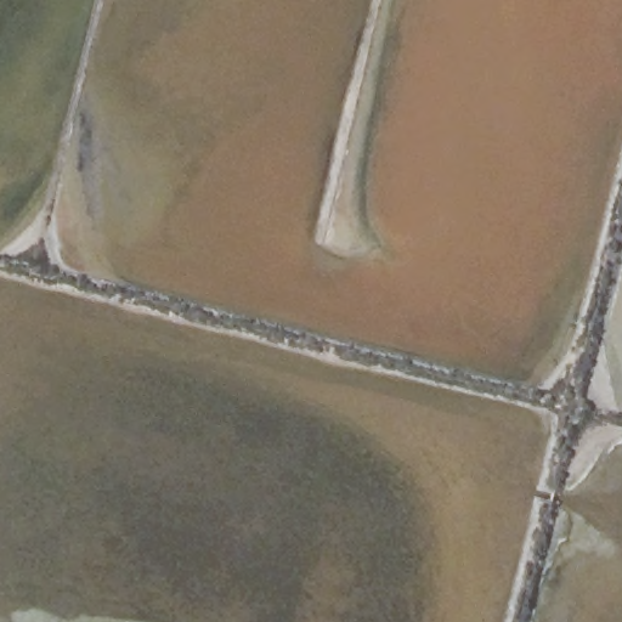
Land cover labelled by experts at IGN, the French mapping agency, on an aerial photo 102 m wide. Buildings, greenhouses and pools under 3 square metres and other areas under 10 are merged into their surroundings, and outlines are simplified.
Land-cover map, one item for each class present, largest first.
<instances>
[{"label":"water","instance_id":"1","mask_svg":"<svg viewBox=\"0 0 622 622\"><path fill-rule=\"evenodd\" d=\"M95 0H0V245H5L12 243L34 221L39 204L46 194V185L53 173L61 136L66 129L68 104L73 97L80 53L87 36ZM372 0H104V12L92 46V58L78 107V180L87 221L90 226L102 224L107 262L112 275L119 279L134 284L143 282L151 292H163L168 296L175 292L197 296L204 304L228 309L248 318H270L277 326L289 321L296 328H313V333L330 338L350 340L401 355H406V350H413L418 360L447 367H469L479 374H491L510 381H527L542 364L544 355L554 347L566 311L571 306L578 309L583 301V289L588 282L605 214V202L622 148V0H391L379 66L374 73V97L364 124V141L355 175L360 226L364 228L374 219H381L384 231H379V236L386 238L379 258L367 260L364 255H343L326 245H318L316 226L333 163L343 104L352 80ZM549 430L542 425V418L537 413L498 401L474 398L454 391L432 389L425 384L403 381L396 377L335 367L304 355L265 347L250 340L204 333L170 321L129 313L109 304L75 299L63 292H46L0 279V622H12V612L19 610H41L61 620L114 617L136 622H503L525 542V530L530 522L532 501H542V505H552L554 496L537 491ZM561 510H573L583 515V520L590 527H595L605 539L615 542V554L603 556L598 552L581 549L573 556H566V561L556 564L554 569H544L539 581V600L532 610L530 622H622V445H617L610 454H600L581 488L569 493L564 496Z\"/></svg>","mask_w":622,"mask_h":622},{"label":"pervious surface","instance_id":"2","mask_svg":"<svg viewBox=\"0 0 622 622\"><path fill-rule=\"evenodd\" d=\"M104 12V0H95L87 36L80 53L73 97L68 104L66 129L61 136L53 173L46 185V194L39 204L34 221L12 243L5 245L7 255H17L32 248L36 241H44L49 260L58 265L63 272L87 275L95 284H119V279L112 275L107 262L102 224L90 226L87 221L78 180V107L92 58V46ZM391 0H372L352 80L343 104L333 163L316 226L318 245H326L343 255H364L367 260L379 258L386 238L379 236V231H384L381 219H374L364 228L360 226L355 175L364 141V124L374 97V73L379 66ZM622 185V148L605 202V214L588 282L583 289V301L578 309V321L566 343V352L559 360V364L542 379V389H552L566 374V369L576 364L583 355L581 335L586 330V316L593 304L600 270L607 262L605 250L610 243L612 211ZM590 398L595 401V406L600 411L622 413V265L617 270V279L607 304L603 345L590 379ZM46 292H63L75 299L109 304L129 313L170 321L204 333L250 340L265 347L304 355L335 367L396 377L403 381L425 384L432 389L454 391L474 398L498 401L537 413L542 418V425L549 430L537 491L554 496L549 476L559 467V437L566 435V430L559 425V415L537 403L518 401L510 396L445 384L381 364L343 360L335 355V347L347 345L350 340L330 338L326 350L321 352L292 345L289 340L265 338L241 328H224L192 321L175 311H158L119 294H95L78 289L73 284H49ZM617 445H622V428L593 425L581 435L576 457L569 469V493L581 488L600 454H610ZM542 505V501H532L530 522L525 530V542L503 622H515L520 593L525 588L527 564L535 554V535L539 530ZM581 549L598 552L603 556L615 554V542L605 539L595 527H590L583 520V515L573 510H561L556 515L554 537L547 552L544 569H554L556 564L566 561V556H573ZM12 622H136L114 617L61 620L41 610H19L12 612Z\"/></svg>","mask_w":622,"mask_h":622},{"label":"brushwood","instance_id":"3","mask_svg":"<svg viewBox=\"0 0 622 622\"><path fill-rule=\"evenodd\" d=\"M607 262L600 270L593 304L586 316V330L581 335L583 355L576 364L566 369V374L552 389H542V379L559 364V360L566 352V343L578 321V309L571 306L566 311L554 347L544 355L542 364L527 381H510L491 374H479L469 367H447L418 360L413 350H406V355H401L350 340L347 345L335 347V355L343 360L381 364L445 384L510 396L518 401L537 403L559 415V425L566 430V435L559 437V467L549 476L554 496L552 505H542L539 530L535 535V554L527 564L525 588L520 593L515 622H530L532 610L539 600V581L544 569L547 552L554 537L556 515L561 510L564 496L569 493V469L576 457L581 435L593 425L622 428V413L600 411L595 406V401L590 398V379L603 345L607 304L617 279V270L622 265V185L612 211L610 243L605 250ZM0 279L46 292L49 284H73L78 289L95 294H119L158 311H175L192 321L224 328H241L265 338L289 340L292 345L321 352L326 350L330 338L313 333V328H296L289 321L277 326L270 318H248L228 309L204 304L197 296L175 292L168 296L163 292H151L143 282L134 284L119 279V284H95L87 275L63 272L58 265L49 260L44 241H36L32 248L17 255H7L5 245H0Z\"/></svg>","mask_w":622,"mask_h":622}]
</instances>
